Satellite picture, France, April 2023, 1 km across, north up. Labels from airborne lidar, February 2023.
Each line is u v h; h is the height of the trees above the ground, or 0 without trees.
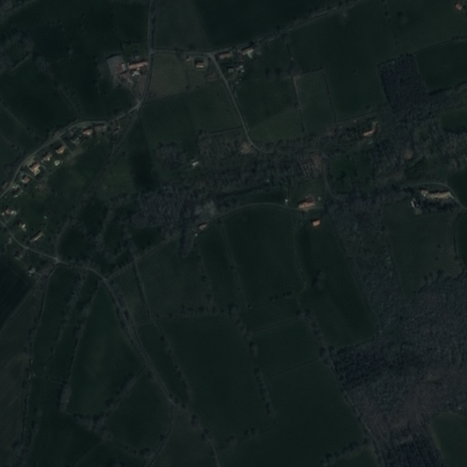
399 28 0
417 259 0
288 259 0
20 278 0
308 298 0
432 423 13
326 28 0
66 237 0
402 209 0
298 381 0
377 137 7
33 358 7
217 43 0
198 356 0
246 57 6
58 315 0
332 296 0
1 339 0
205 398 0
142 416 0
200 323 0
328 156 0
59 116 0
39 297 0
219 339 0
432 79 0
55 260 0
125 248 9
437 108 14
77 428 0
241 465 0
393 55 0
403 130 18
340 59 0
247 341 7
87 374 0
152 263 0
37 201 0
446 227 0
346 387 12
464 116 0
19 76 0
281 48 0
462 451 0
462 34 0
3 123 0
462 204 0
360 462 0
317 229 0
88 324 0
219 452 0
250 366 0
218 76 7
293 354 0
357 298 0
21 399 0
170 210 25
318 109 0
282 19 0
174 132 0
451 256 0
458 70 0
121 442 0
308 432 0
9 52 0
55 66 0
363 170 0
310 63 0
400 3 0
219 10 0
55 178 0
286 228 0
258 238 0
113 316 0
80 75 0
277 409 0
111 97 0
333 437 0
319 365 0
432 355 18
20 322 0
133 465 0
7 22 0
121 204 19
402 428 14
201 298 0
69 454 0
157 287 0
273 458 0
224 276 0
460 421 0
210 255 0
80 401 0
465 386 14
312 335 0
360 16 0
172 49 0
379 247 0
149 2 13
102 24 0
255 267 0
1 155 0
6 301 0
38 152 0
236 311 17
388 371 13
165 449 0
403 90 20
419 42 0
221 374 0
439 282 7
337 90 0
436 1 0
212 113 0
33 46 19
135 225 21
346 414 0
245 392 0
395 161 20
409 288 0
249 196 0
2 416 0
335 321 0
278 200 0
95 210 0
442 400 14
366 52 0
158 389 0
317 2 0
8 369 0
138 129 0
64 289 0
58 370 0
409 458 12
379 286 6
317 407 0
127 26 0
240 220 0
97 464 0
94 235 0
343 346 0
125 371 0
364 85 0
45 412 0
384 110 13
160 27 0
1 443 0
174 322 0
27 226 0
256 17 0
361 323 0
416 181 9
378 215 9
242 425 0
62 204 0
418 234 0
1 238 0
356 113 0
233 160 15
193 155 0
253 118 0
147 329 0
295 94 7
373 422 14
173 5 0
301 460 0
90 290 0
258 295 0
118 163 0
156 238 0
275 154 13
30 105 0
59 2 0
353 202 11
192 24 0
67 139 6
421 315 10
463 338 10
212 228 0
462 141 32
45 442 0
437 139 32
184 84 0
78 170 0
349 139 10
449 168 33
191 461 0
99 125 0
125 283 0
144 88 0
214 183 0
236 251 0
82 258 0
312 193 0
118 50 0
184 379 12
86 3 0
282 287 0
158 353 0
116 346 0
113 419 0
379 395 6
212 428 0
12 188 0
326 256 0
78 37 0
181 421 0
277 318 0
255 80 0
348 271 0
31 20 0
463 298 7
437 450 12
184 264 0
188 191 18
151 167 12
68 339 0
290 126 0
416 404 15
